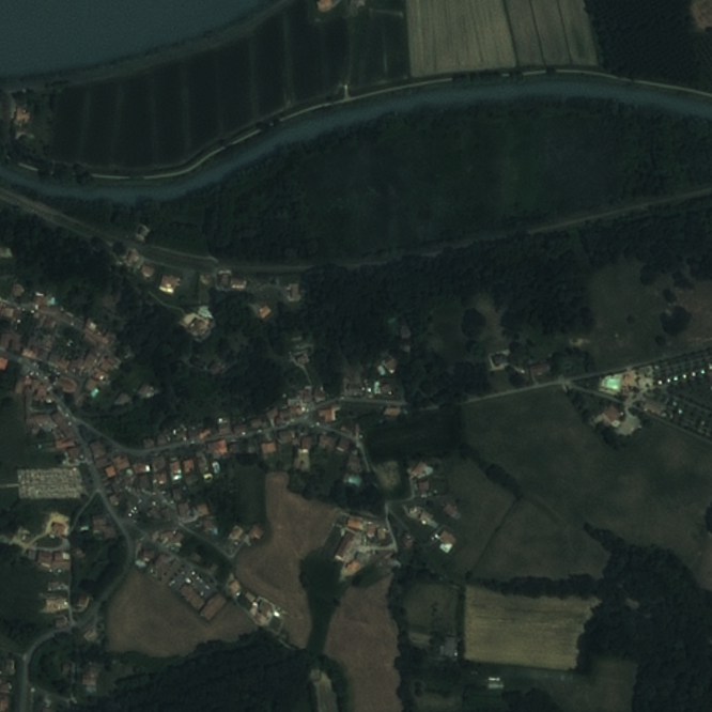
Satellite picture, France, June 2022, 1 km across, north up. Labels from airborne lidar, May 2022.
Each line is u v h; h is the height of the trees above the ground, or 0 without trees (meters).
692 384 7
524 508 0
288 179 17
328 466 0
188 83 0
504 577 0
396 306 17
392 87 0
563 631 0
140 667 7
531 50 0
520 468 0
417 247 6
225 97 0
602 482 0
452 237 7
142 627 0
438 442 0
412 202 0
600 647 15
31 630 22
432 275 22
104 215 18
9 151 11
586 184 0
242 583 0
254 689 14
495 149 0
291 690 25
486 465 8
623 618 25
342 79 0
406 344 7
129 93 0
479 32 0
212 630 0
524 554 0
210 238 21
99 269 21
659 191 20
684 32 30
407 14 0
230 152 10
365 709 0
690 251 27
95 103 0
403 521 0
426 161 0
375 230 0
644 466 0
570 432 0
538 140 0
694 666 30
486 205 0
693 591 25
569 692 0
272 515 0
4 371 14
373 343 14
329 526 0
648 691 22
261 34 0
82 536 10
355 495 20
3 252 0
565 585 18
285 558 0
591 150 0
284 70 0
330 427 0
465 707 6
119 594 0
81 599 0
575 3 0
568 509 0
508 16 0
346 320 20
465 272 11
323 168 0
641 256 18
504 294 26
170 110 0
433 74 0
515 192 0
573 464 0
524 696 10
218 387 7
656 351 0
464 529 0
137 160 0
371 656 0
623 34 28
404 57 0
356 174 0
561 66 0
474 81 12
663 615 19
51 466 0
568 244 21
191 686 16
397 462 0
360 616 0
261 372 18
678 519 0
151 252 0
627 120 16
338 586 0
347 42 0
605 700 0
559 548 0
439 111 6
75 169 11
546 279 17
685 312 21
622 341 0
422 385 28
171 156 0
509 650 0
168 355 18
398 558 13
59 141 0
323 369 9
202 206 16
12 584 0
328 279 27
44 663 21
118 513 0
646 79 6
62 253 12
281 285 0
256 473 0
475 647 0
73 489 0
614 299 0
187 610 0
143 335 23
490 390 18
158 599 0
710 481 0
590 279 0
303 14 0
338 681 22
